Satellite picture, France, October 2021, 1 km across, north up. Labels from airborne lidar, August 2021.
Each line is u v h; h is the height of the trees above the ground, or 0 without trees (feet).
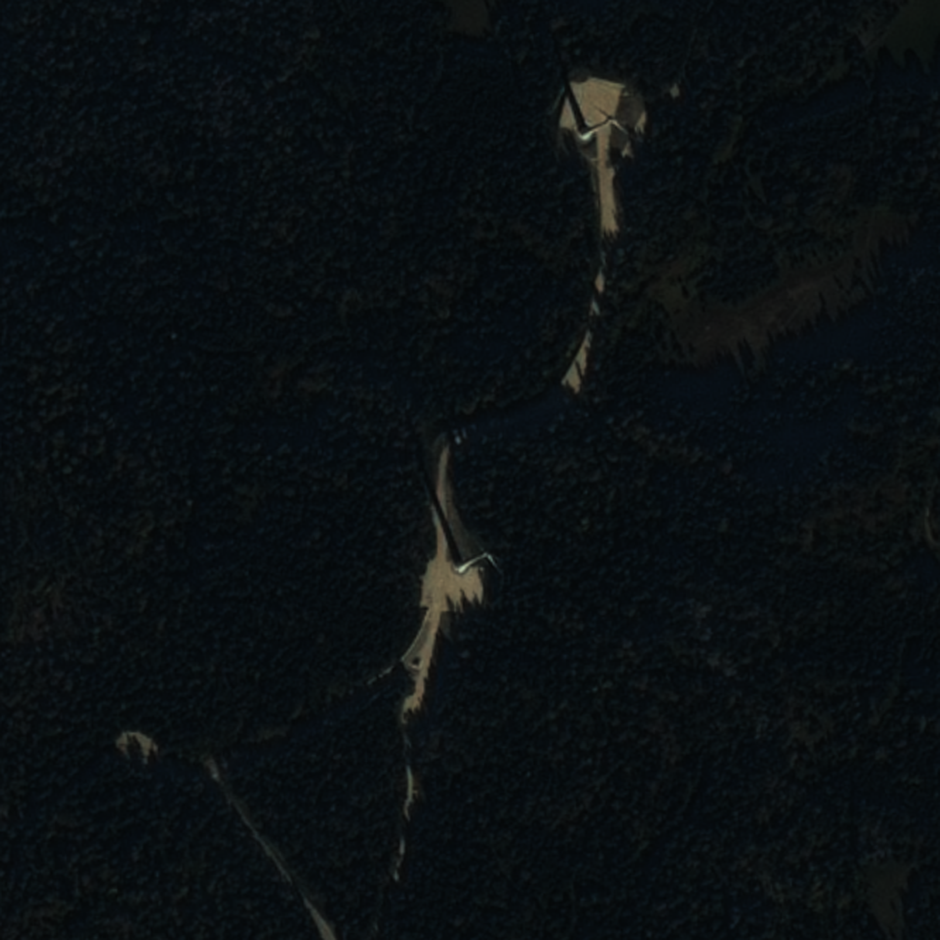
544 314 94
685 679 64
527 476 27
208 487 67
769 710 73
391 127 64
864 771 55
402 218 83
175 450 26
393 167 90
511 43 38
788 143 80
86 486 52
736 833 62
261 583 50
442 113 64
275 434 29
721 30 79
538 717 33
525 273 93
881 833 83
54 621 87
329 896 53
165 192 69
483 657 31
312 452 83
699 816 58
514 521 22
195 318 93
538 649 42
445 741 58
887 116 27
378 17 55
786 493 71
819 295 0
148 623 94
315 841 52
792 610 65
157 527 77
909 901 21
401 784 56
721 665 66
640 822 69
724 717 48
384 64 40
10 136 94
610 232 0
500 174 80
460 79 55
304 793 55
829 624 80
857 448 66
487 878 55
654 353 55
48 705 52
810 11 81
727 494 84
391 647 46
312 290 81
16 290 58
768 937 70
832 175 73
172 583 83
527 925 34
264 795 86
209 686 26
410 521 62
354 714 47
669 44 74
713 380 0
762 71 84
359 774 63
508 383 86
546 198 32
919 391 65
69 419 57
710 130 46
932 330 44
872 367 91
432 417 89
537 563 47
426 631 0
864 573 72
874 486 63
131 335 35
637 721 49
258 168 29
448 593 0
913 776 60
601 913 86
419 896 35
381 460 18
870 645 98
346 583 57
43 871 76
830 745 31
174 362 83
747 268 54
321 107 84
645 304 56
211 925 55
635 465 62
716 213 43
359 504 46
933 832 91
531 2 94
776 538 56
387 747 52
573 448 55
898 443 49
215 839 98
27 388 56
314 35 79
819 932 37
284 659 73
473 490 73
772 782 68
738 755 66
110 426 74
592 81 0
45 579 54
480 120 54
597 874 76
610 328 88
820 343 0
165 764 0
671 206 91
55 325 38
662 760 61
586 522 72
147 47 93
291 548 57
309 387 66
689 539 92
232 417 37
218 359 69
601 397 80
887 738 42
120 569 23
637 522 63
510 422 0
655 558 87
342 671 45
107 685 87
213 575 83
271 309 74
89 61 91
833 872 54
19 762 42
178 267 26
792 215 46
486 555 0
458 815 44
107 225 93
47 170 63
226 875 100
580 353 0
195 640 89
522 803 61
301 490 44
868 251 0
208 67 97
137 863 46
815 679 53
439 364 70
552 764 45
